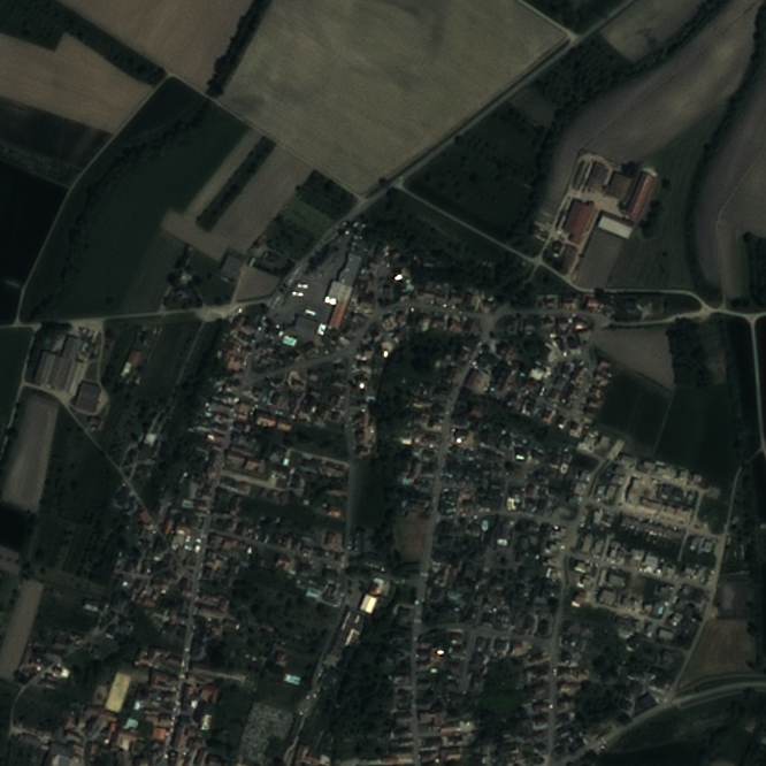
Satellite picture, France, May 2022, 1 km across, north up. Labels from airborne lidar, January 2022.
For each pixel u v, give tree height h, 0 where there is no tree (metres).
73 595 0
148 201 0
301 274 0
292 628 7
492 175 0
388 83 0
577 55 10
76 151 0
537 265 0
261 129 0
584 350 0
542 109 0
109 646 0
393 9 0
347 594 0
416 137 0
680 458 0
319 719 0
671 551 0
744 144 0
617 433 0
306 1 0
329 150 0
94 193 16
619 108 0
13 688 0
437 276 9
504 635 0
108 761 0
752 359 0
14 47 0
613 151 0
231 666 6
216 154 0
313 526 0
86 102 0
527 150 0
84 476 0
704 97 0
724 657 0
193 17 0
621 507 0
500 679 0
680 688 0
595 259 0
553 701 0
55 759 0
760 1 0
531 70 0
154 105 0
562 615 0
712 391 0
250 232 0
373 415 11
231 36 0
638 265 0
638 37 0
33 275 0
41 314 10
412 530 0
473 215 0
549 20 0
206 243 0
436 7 0
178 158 0
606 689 0
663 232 0
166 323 0
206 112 7
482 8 0
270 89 0
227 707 0
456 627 0
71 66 0
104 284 0
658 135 0
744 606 0
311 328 0
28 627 0
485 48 0
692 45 0
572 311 0
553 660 0
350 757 0
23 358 0
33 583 0
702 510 0
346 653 14
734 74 0
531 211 6
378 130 0
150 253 0
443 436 0
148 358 0
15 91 0
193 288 11
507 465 6
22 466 0
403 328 0
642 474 0
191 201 0
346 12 0
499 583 0
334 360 0
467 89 0
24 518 0
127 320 0
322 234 0
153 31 0
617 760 0
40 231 0
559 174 0
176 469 0
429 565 0
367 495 0
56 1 0
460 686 0
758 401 0
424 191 0
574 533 0
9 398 0
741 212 0
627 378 0
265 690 0
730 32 0
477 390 0
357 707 8
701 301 0
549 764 0
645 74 0
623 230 0
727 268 0
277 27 0
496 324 0
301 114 0
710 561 0
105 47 0
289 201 0
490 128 0
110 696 0
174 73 0
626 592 0
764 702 0
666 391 0
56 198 0
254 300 0
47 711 0
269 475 0
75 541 0
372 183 0
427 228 0
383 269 0
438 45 0
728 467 0
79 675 9
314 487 7
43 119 0
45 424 0
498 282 18
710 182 0
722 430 0
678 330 7
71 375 0
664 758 0
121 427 0
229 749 11
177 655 0
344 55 0
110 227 0
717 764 0
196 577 0
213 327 0
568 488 0
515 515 0
